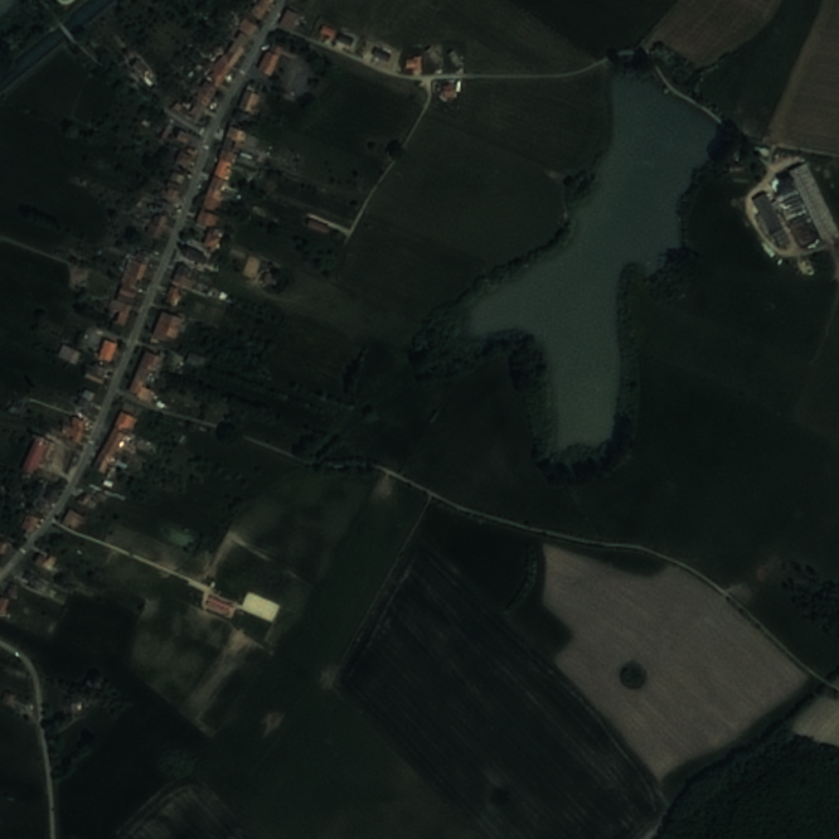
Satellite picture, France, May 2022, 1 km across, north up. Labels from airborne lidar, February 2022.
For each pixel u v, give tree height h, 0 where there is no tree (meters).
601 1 0
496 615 0
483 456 0
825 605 16
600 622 0
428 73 0
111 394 0
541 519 0
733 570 0
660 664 0
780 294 0
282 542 0
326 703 0
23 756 0
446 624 0
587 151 0
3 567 0
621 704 0
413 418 0
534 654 0
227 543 0
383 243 0
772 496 0
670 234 0
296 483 0
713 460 0
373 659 0
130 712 0
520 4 0
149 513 0
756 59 0
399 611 0
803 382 0
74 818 0
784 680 0
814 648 0
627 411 6
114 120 6
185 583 0
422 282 0
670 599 0
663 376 0
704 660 0
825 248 0
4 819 0
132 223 0
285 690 0
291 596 0
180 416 0
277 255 0
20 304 0
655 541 0
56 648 0
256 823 0
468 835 0
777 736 16
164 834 0
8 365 0
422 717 0
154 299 0
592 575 0
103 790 0
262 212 0
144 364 0
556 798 0
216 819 0
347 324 0
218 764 0
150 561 0
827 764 14
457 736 0
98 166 0
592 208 0
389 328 0
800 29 0
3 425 0
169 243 0
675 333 0
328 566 0
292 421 0
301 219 0
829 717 0
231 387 0
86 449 0
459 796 0
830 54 0
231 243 9
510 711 0
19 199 0
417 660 0
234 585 0
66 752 0
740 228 0
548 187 0
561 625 0
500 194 0
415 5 0
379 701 0
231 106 0
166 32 0
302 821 0
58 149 0
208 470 6
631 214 0
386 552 0
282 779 0
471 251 0
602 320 0
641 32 0
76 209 0
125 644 0
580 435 0
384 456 0
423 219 0
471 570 0
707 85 0
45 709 8
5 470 6
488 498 0
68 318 0
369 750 0
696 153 0
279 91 14
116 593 0
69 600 0
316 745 0
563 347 0
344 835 0
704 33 0
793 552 0
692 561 0
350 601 0
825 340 0
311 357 0
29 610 0
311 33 0
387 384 0
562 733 0
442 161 0
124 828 0
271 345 11
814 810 12
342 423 0
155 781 0
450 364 5
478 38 0
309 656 0
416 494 0
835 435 0
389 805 0
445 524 0
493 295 0
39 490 13
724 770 18
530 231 0
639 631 0
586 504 0
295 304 0
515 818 0
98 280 0
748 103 0
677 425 0
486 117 0
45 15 18
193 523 0
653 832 0
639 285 0
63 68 0
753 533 0
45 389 0
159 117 13
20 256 0
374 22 0
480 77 0
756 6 0
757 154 10
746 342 0
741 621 0
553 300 0
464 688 0
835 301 0
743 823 10
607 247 0
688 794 14
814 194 0
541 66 0
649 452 0
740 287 0
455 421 0
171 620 0
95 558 0
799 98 0
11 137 0
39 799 0
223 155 0
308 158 0
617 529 0
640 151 0
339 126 0
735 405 0
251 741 0
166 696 0
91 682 16
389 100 0
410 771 0
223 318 0
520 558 0
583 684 0
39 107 0
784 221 0
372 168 0
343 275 0
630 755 0
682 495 0
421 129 0
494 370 0
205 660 0
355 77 0
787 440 0
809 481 0
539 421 7
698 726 0
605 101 0
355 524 0
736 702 0
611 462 19
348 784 0
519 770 0
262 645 0
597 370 0
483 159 0
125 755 0
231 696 0
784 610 0
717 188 0
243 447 0
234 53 0
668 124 0
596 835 0
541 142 0
